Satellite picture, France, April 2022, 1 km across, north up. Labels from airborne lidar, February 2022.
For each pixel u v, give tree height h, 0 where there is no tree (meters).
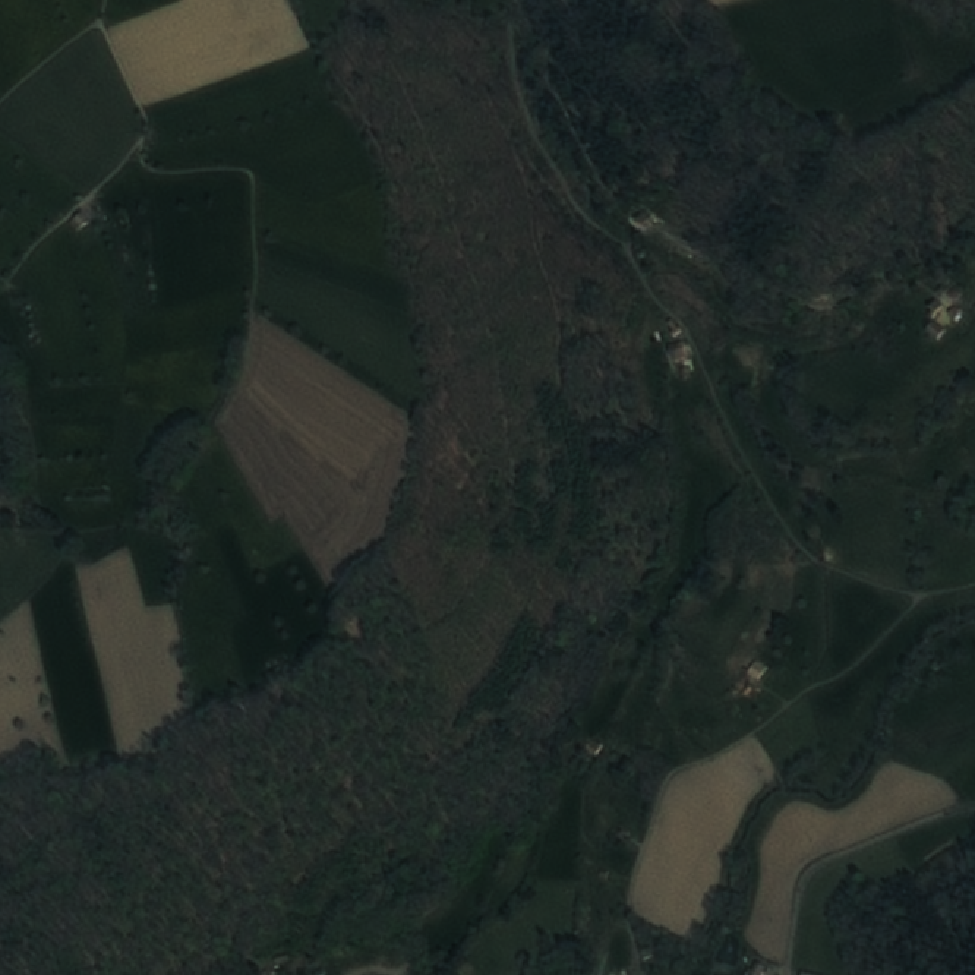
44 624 0
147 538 0
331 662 31
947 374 0
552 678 34
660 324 0
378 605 29
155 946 30
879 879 0
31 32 0
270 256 0
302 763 25
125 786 30
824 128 21
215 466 0
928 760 0
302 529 0
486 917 8
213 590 0
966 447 0
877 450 18
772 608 0
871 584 0
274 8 0
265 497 0
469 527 12
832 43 0
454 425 15
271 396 0
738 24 0
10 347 18
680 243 0
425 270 10
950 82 0
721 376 0
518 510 12
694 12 27
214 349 0
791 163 30
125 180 0
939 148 32
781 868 0
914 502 20
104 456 9
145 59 0
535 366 8
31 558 0
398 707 30
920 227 36
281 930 30
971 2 26
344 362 6
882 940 19
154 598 0
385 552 20
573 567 14
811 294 21
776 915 0
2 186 0
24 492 27
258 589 0
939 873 7
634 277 8
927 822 0
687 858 0
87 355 0
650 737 0
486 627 13
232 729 26
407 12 13
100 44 0
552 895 0
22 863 27
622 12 28
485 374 12
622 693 0
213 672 0
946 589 0
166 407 0
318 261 0
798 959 0
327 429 0
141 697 0
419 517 14
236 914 31
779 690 0
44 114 0
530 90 14
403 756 27
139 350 0
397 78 13
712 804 0
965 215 28
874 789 0
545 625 11
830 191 28
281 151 0
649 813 15
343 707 28
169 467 25
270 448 0
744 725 0
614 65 25
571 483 16
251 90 0
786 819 0
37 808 24
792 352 11
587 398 28
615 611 37
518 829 29
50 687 0
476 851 26
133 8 0
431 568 12
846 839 0
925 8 23
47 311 0
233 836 29
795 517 0
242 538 0
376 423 0
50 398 0
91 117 0
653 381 0
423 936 25
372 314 0
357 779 28
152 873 29
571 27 26
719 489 0
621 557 30
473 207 14
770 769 0
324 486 0
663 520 12
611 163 35
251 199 0
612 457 27
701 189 27
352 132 0
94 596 0
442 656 12
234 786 25
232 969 32
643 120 27
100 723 0
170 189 0
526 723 33
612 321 25
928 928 15
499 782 35
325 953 24
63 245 0
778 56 0
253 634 0
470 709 14
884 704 17
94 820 27
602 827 0
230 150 0
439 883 30
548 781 30
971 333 0
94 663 0
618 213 0
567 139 27
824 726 0
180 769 26
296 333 13
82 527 0
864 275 29
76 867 28
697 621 0
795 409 24
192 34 0
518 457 11
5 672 0
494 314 12
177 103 0
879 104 0
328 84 13
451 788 34
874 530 0
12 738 0
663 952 20
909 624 0
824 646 0
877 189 31
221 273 0
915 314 0
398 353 0
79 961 26
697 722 0
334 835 30
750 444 0
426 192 13
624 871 0
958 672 0
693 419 0
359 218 0
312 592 0
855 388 0
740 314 25
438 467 17
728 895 19
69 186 0
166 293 0
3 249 0
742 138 32
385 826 29
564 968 13
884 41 0
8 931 26
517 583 15
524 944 0
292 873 10
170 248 0
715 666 0
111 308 0
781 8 0
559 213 6
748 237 42
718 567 18
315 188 0
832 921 13
